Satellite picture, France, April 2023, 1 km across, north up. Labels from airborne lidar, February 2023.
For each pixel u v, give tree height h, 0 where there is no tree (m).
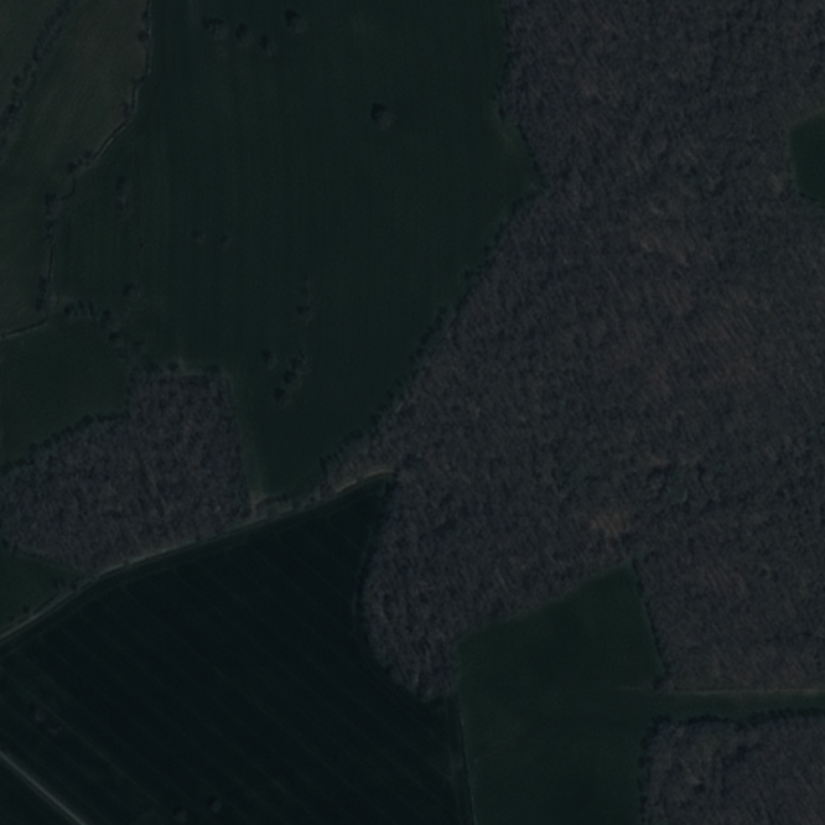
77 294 0
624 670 0
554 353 24
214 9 0
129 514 25
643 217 22
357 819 0
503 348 23
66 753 0
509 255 17
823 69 20
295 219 0
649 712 0
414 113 0
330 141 0
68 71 0
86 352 0
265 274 0
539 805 0
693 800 19
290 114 0
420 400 8
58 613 0
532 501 24
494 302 19
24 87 15
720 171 25
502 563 26
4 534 11
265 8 0
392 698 0
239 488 17
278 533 0
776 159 24
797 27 21
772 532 21
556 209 18
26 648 0
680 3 22
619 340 19
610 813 0
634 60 22
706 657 24
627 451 23
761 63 19
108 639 0
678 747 19
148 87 0
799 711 0
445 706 0
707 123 25
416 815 0
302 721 0
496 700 0
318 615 0
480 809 0
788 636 24
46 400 0
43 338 0
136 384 15
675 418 21
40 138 0
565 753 0
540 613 0
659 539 19
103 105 0
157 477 22
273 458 0
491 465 23
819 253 21
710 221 17
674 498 19
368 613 18
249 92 0
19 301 0
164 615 0
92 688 0
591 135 26
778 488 24
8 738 0
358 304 0
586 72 26
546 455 24
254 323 0
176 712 0
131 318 0
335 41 0
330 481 17
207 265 0
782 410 20
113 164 0
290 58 0
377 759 0
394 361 0
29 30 0
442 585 29
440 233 0
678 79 11
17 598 0
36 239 0
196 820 0
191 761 0
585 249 24
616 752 0
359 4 0
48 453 16
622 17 25
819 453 25
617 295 21
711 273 21
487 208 0
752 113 21
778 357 24
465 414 20
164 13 0
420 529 24
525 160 0
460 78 0
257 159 0
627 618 0
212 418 21
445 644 21
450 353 25
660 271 23
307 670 0
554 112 22
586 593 0
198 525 14
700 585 27
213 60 0
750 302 26
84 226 0
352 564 0
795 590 21
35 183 0
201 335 0
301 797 0
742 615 25
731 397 24
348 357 0
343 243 0
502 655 0
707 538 25
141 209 0
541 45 21
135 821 0
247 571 0
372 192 0
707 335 27
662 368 23
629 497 21
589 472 25
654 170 23
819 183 0
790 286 26
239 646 0
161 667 0
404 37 0
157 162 0
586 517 26
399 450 17
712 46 22
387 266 0
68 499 21
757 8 21
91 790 0
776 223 12
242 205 0
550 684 0
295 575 0
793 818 28
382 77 0
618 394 25
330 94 0
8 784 0
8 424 0
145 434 20
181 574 0
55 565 17
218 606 0
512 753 0
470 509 23
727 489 24
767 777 28
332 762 0
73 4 17
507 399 24
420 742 0
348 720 0
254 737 0
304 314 14
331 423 0
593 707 0
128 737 0
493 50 0
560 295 23
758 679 26
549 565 23
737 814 27
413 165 0
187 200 0
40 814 0
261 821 0
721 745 18
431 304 0
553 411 24
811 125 0
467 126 0
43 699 0
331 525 0
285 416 0
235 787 0
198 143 0
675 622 22
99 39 0
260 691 0
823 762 27
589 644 0
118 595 0
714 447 22
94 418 0
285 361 0
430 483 22
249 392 0
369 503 0
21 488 19
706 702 0
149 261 0
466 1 0
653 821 18
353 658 0
